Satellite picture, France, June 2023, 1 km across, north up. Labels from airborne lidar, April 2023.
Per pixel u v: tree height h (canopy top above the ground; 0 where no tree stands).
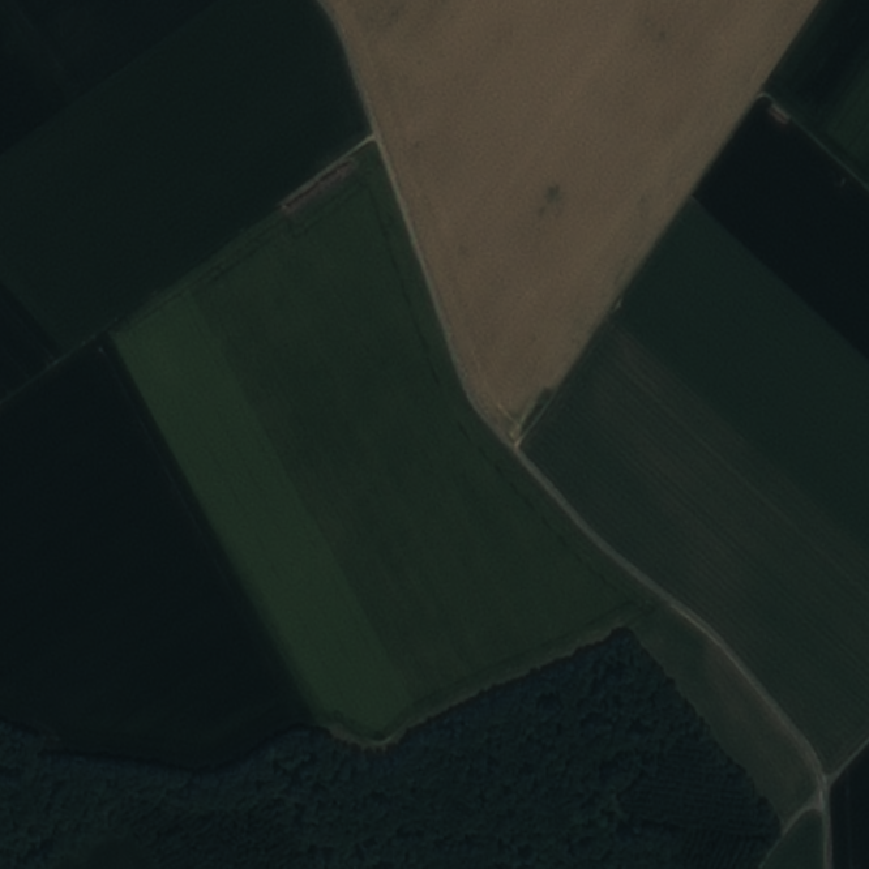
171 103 0
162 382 0
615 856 22
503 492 0
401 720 0
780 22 0
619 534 0
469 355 0
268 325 0
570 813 28
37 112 0
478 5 0
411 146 0
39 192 0
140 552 0
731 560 0
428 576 0
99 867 0
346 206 0
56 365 0
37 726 0
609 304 0
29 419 0
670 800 14
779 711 0
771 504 0
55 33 0
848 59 0
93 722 0
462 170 0
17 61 0
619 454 0
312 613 0
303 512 0
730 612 0
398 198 0
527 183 0
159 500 0
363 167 0
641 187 0
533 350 0
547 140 0
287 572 0
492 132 0
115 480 0
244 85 0
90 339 0
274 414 0
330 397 0
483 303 0
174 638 0
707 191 0
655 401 0
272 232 0
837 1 0
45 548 0
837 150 0
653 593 0
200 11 0
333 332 0
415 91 0
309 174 0
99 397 0
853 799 0
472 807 27
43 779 23
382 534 0
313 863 19
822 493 0
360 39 0
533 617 0
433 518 0
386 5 0
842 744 0
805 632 0
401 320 0
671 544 0
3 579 0
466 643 0
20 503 0
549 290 0
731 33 0
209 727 0
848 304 0
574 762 27
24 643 0
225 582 0
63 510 0
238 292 0
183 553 0
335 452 0
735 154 0
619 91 0
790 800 0
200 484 0
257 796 12
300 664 0
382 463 0
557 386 0
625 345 0
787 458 0
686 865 15
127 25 0
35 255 0
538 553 0
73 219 0
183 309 0
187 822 18
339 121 0
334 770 20
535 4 0
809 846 0
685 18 0
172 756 0
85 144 0
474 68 0
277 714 0
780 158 0
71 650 0
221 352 0
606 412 0
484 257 0
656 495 0
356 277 0
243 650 0
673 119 0
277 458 0
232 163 0
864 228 0
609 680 23
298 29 0
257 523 0
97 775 26
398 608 0
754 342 0
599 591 0
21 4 0
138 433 0
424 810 25
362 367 0
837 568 0
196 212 0
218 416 0
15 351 0
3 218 0
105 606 0
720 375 0
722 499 0
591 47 0
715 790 16
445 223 0
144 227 0
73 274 0
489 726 25
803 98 0
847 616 0
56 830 24
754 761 0
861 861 0
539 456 0
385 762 25
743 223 0
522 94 0
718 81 0
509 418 0
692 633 0
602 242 0
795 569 0
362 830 26
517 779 27
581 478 0
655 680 23
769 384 0
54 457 0
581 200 0
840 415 0
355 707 0
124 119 0
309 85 0
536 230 0
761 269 0
